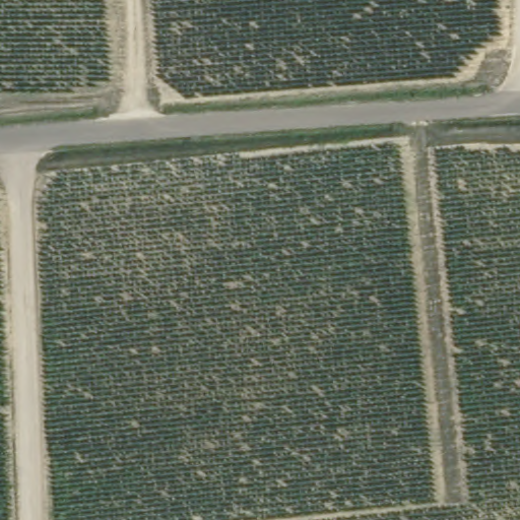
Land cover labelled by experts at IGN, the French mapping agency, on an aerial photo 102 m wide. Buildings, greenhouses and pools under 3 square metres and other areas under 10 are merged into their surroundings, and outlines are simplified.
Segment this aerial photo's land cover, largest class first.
<instances>
[{"label":"vineyard","instance_id":"1","mask_svg":"<svg viewBox=\"0 0 520 520\"><path fill-rule=\"evenodd\" d=\"M128 43L126 0H0V93H69L73 91V87L98 85L102 93L112 91L114 98L120 102L124 95ZM146 91L150 87H156L160 93V102L187 106L311 98L335 93H366L412 87H441L459 83H465L467 87L490 85L492 89L498 87L504 83L510 67L516 0H140ZM416 130L410 138L380 136L260 150H228L221 154L179 156L171 160L154 158L148 165L142 160H130L112 167H85L83 158H69L55 163L51 171H37L33 187V242L39 244L43 412L49 453L51 520H520V142H449L429 146L427 126H414ZM4 305L0 266V520H18L20 508L16 463L14 366L12 355L6 351L4 343L6 337L2 317Z\"/></svg>","mask_w":520,"mask_h":520},{"label":"pervious surface","instance_id":"2","mask_svg":"<svg viewBox=\"0 0 520 520\"><path fill-rule=\"evenodd\" d=\"M128 43L124 95L120 102L118 112L108 116L112 122H122L156 118L158 112L150 108L146 91L140 0H126ZM500 91H520V0H516L510 67L504 83L498 87ZM41 158L35 150L10 152L6 156V163L0 167V266L4 305L2 317L6 337L4 343L6 351L12 355L14 366L16 463L20 508L18 520H51L49 453L43 412L39 244L33 242V187L37 171Z\"/></svg>","mask_w":520,"mask_h":520},{"label":"impervious surface","instance_id":"3","mask_svg":"<svg viewBox=\"0 0 520 520\"><path fill-rule=\"evenodd\" d=\"M459 118H520V91H500L498 87L492 89L490 93L443 100L349 102L333 106L203 114L158 112L156 118L122 122H112L108 116L93 120L0 128V167L6 163V156L10 152L35 150L41 158L55 152L57 146L71 144H118L136 140L252 134L266 130H313L392 122L414 126H427L437 120Z\"/></svg>","mask_w":520,"mask_h":520},{"label":"herbaceous vegetation","instance_id":"4","mask_svg":"<svg viewBox=\"0 0 520 520\"><path fill-rule=\"evenodd\" d=\"M492 89L490 85L467 87L465 83H459L441 87H412L366 93H335L311 98L187 106L160 102V93L156 87H150L146 91L150 108L158 112L203 114L333 106L349 102L443 100L490 93ZM120 102L114 98L112 91L102 93L98 85L73 87V91L69 93H0V128L93 120L108 116L118 112ZM449 142H520V118H459L437 120L427 126L429 146Z\"/></svg>","mask_w":520,"mask_h":520},{"label":"brushwood","instance_id":"5","mask_svg":"<svg viewBox=\"0 0 520 520\"><path fill-rule=\"evenodd\" d=\"M416 130L414 126L392 122L313 130H266L252 134L136 140L118 144H71L57 146L55 152L41 158L37 171H51L55 163L69 158H83L85 167H112L130 160H142L148 165L154 158L171 160L179 156L221 154L228 150H260L380 136L410 138Z\"/></svg>","mask_w":520,"mask_h":520}]
</instances>
